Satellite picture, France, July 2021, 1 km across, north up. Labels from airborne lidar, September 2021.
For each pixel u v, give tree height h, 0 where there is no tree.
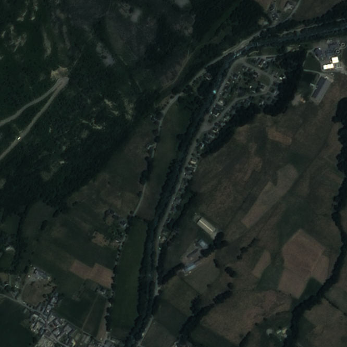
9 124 8
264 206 0
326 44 0
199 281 0
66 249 0
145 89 6
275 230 0
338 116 20
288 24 23
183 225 0
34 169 6
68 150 13
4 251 9
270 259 0
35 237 0
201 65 18
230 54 15
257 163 0
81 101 13
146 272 22
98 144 11
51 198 15
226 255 0
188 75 15
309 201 0
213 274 0
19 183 16
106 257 0
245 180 0
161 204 16
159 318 0
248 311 0
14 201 19
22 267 0
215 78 13
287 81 24
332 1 0
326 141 0
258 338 0
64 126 7
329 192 0
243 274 0
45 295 11
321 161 0
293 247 0
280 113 15
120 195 0
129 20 9
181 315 0
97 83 10
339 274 15
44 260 0
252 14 17
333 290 0
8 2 6
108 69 9
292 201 0
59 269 0
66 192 17
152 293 17
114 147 13
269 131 0
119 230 14
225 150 0
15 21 6
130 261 0
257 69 0
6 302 0
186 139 21
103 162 20
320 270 0
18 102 6
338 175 0
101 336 0
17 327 0
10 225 0
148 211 0
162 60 14
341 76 0
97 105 7
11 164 6
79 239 0
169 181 18
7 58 7
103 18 10
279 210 0
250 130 0
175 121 0
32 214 0
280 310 0
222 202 0
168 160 0
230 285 19
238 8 13
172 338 0
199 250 0
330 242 0
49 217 0
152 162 17
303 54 20
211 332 0
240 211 0
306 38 14
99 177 0
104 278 0
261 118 0
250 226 0
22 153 10
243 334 0
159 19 10
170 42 16
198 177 0
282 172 0
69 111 8
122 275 0
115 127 12
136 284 0
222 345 0
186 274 0
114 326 0
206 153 14
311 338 0
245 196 0
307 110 0
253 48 16
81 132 9
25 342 0
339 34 10
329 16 18
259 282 0
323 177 0
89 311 0
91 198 0
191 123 9
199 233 0
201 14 11
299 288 0
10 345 0
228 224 0
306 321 0
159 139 18
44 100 6
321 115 0
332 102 0
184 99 13
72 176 6
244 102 7
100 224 0
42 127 6
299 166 0
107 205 0
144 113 18
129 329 0
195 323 27
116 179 0
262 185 0
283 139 0
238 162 0
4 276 0
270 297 0
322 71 0
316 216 0
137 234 0
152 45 13
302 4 0
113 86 7
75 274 0
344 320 0
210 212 0
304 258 0
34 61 6
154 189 0
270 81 0
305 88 0
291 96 21
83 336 0
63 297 10
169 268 0
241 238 0
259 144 0
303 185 0
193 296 0
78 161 7
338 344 0
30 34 6
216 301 21
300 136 0
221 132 13
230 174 0
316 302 24
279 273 0
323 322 0
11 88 6
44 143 10
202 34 12
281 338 0
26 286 0
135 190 0
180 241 0
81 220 0
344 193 27
